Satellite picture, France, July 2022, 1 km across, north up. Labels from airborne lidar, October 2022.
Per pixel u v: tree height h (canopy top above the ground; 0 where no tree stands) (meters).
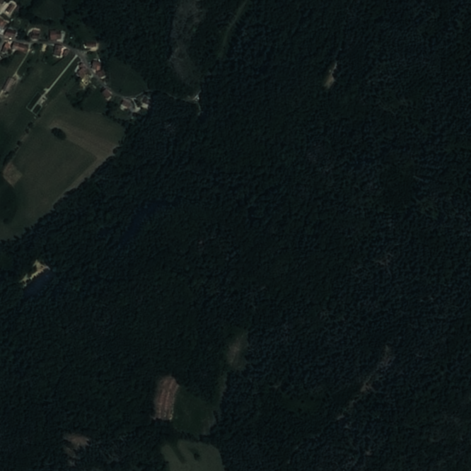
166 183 26
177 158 12
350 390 8
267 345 22
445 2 19
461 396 7
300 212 19
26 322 21
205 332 19
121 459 13
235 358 0
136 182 22
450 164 27
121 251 17
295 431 13
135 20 18
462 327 6
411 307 25
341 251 14
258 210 32
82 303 16
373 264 25
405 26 26
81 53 0
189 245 19
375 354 25
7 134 0
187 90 14
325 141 19
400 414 21
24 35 14
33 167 0
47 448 21
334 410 16
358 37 23
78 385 13
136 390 18
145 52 18
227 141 16
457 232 13
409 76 16
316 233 13
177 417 0
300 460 24
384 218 22
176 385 0
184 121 16
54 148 0
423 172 6
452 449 12
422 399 14
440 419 10
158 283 13
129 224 25
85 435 13
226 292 15
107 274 28
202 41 20
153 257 26
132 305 14
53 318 14
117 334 12
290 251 25
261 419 9
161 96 23
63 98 0
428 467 15
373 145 36
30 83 0
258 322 15
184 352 11
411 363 26
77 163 0
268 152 19
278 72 24
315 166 16
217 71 18
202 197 26
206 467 0
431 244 14
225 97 23
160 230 19
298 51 17
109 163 13
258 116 16
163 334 10
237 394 28
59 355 7
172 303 11
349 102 9
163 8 15
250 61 25
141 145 22
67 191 0
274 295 14
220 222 24
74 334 15
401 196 7
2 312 11
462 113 27
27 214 0
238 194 28
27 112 0
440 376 20
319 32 11
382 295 32
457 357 8
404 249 17
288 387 28
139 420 21
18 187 0
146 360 15
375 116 20
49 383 15
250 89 21
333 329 26
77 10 9
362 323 8
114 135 0
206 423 0
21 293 15
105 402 13
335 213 17
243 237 26
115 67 0
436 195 27
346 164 31
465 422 9
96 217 9
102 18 23
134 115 10
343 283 25
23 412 8
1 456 15
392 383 28
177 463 0
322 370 32
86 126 0
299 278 15
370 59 31
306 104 12
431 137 9
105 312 18
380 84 9
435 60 24
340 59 16
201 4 12
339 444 9
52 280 22
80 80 11
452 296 28
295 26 22
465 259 29
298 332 21
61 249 27
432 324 24
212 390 13
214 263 20
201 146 22
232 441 21
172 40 24
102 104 0
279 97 14
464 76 16
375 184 26
